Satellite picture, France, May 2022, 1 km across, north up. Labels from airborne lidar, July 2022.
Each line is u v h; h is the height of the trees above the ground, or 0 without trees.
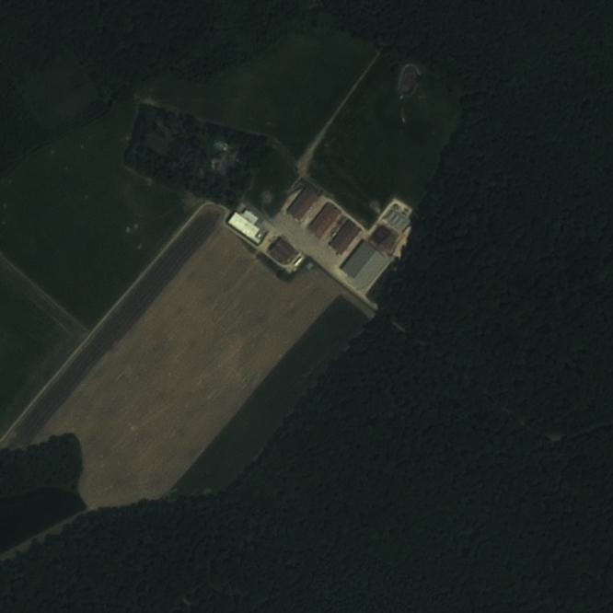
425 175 0
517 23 18
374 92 0
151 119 27
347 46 0
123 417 0
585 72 25
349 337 0
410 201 0
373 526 25
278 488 25
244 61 19
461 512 22
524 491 24
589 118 23
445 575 23
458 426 29
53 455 23
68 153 0
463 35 20
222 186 21
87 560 27
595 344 26
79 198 0
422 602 15
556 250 28
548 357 30
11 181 0
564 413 27
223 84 0
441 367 24
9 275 0
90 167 0
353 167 0
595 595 26
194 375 0
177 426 0
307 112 0
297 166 0
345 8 18
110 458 0
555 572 28
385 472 28
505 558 24
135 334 0
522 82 22
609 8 24
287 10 20
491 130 23
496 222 28
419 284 29
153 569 25
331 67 0
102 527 29
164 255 0
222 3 20
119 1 33
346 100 0
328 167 0
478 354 24
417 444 25
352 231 0
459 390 26
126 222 0
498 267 31
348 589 24
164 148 0
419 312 26
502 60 18
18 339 0
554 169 23
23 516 0
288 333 0
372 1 21
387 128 0
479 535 27
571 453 21
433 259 25
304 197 0
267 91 0
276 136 0
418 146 0
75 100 0
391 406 22
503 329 25
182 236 0
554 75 24
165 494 0
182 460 0
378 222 0
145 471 0
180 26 26
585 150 22
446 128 0
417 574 23
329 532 26
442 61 19
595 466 19
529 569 26
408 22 24
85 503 0
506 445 29
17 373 0
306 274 0
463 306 27
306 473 23
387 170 0
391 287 24
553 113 26
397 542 23
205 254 0
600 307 28
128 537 28
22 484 21
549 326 31
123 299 0
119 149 0
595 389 15
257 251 0
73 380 0
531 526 28
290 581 22
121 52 28
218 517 23
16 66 19
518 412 24
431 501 22
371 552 24
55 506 0
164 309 0
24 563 28
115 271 0
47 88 0
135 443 0
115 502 0
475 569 21
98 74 20
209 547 29
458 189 28
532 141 23
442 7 19
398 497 23
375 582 13
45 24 21
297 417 19
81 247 0
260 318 0
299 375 0
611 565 27
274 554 22
